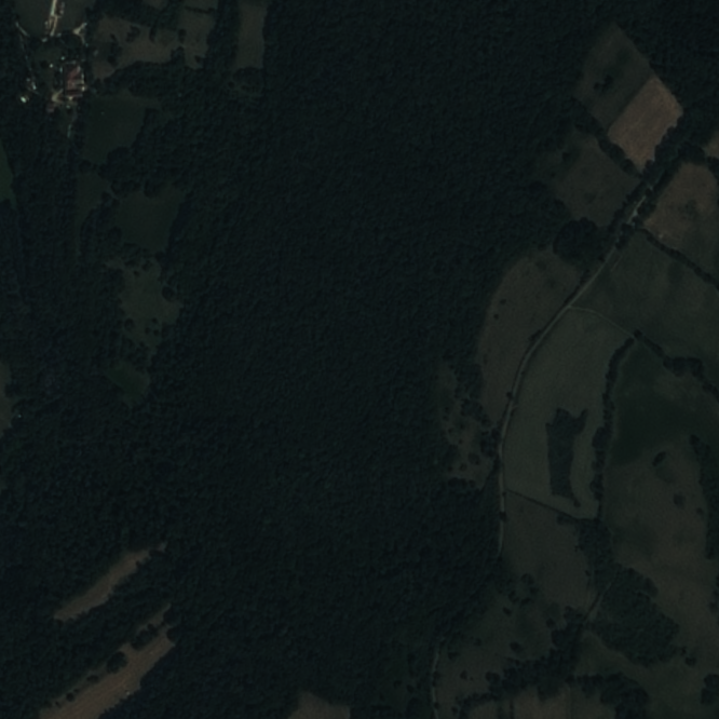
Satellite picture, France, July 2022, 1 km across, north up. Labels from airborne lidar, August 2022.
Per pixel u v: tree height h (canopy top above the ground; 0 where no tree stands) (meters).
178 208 0
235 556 21
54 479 20
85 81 12
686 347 0
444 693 0
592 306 0
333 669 21
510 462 0
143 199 0
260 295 17
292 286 18
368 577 24
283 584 24
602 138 14
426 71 20
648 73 0
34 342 29
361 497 11
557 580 0
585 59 9
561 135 19
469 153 19
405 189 23
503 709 0
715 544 8
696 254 0
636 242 0
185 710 25
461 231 17
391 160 23
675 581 0
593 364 0
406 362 20
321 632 21
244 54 0
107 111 0
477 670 0
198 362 24
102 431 18
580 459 0
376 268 16
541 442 0
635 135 0
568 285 0
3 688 20
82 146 15
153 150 15
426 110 21
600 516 8
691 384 0
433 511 15
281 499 13
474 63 18
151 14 6
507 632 0
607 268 0
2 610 25
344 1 23
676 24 24
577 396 0
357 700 18
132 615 19
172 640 10
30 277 30
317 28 22
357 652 21
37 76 17
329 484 7
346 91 19
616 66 0
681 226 0
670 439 0
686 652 10
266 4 0
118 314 10
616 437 0
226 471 25
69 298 17
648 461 0
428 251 20
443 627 11
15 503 24
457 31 20
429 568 27
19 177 26
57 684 20
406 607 22
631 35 13
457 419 0
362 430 14
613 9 19
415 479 14
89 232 13
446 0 18
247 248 21
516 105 20
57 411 23
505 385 0
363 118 21
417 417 16
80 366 28
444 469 6
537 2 20
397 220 20
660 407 0
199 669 20
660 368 0
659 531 0
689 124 17
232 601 16
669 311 0
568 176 0
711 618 0
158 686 24
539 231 12
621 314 0
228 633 25
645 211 12
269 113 12
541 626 0
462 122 19
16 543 25
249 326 15
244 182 20
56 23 0
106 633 19
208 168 21
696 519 0
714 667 0
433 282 20
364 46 23
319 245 19
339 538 15
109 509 7
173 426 13
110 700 0
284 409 17
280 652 23
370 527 18
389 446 12
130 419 19
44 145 12
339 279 17
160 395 21
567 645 11
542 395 0
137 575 13
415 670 6
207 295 19
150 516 21
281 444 16
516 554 0
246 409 14
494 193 23
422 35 19
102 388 23
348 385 14
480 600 14
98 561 21
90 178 0
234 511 21
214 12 8
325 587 20
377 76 19
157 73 7
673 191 0
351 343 16
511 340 0
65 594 9
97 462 23
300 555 22
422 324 19
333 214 20
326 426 10
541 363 0
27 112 21
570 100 14
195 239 16
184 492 20
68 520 19
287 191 19
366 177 23
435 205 18
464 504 20
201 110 8
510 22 20
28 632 23
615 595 6
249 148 11
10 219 25
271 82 16
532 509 0
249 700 24
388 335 16
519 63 18
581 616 8
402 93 19
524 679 7
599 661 0
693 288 0
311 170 22
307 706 0
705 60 21
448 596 19
